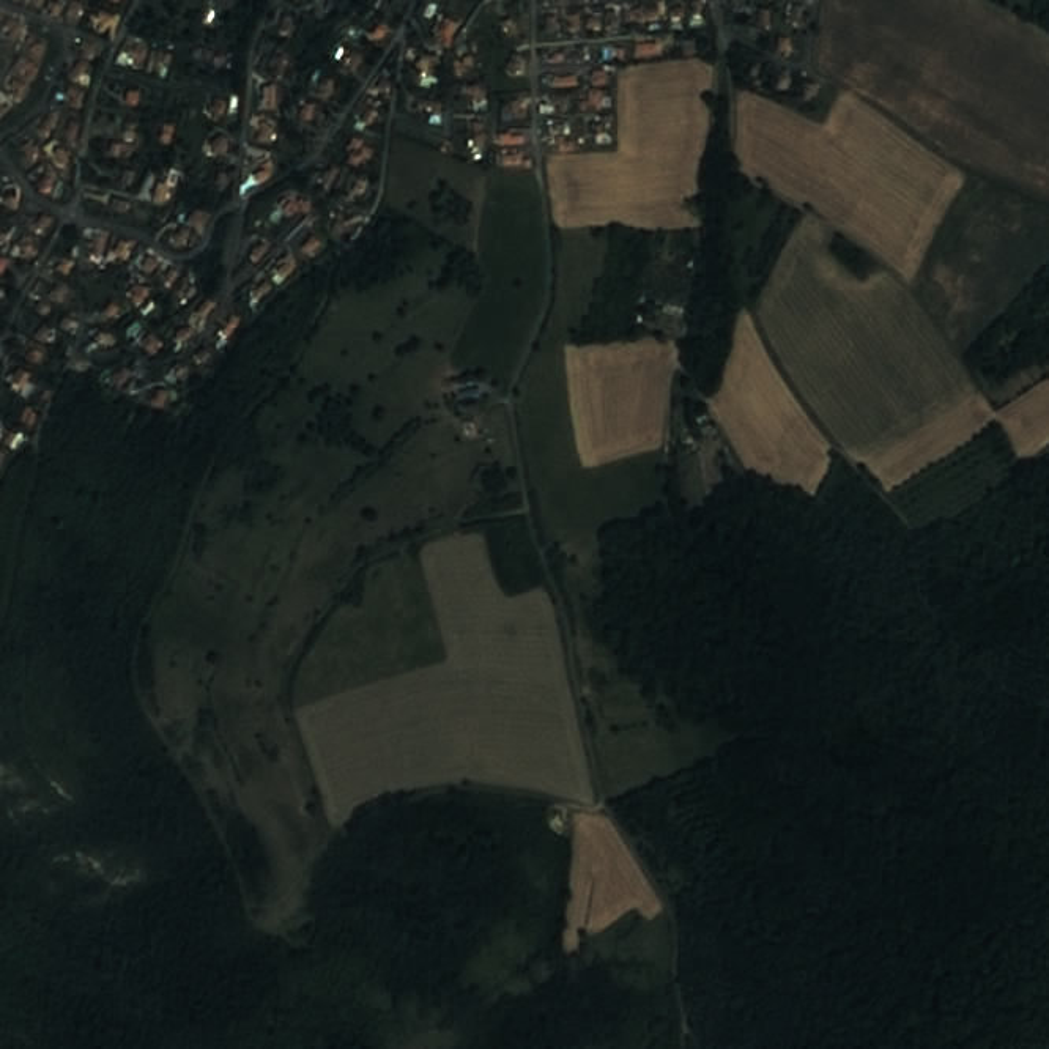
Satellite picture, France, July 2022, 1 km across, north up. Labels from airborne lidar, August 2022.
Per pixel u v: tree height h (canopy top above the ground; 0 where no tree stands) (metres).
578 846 0
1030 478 17
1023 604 15
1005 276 0
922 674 9
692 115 0
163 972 10
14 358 7
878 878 19
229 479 0
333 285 10
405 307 8
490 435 0
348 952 7
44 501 6
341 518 0
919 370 0
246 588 0
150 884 8
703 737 0
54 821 6
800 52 0
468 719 0
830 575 18
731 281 16
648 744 0
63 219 0
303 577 0
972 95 0
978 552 12
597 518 0
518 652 0
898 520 10
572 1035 8
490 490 13
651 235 6
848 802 15
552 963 8
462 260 12
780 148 0
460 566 0
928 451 0
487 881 13
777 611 18
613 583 13
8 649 9
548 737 0
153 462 10
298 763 0
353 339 0
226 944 9
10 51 0
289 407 0
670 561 22
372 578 0
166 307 10
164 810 7
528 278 0
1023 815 22
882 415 0
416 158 0
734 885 12
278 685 0
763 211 9
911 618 15
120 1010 8
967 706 17
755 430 0
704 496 0
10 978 9
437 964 12
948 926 21
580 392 0
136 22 9
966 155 0
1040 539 13
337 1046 11
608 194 0
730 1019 12
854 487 8
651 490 0
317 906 9
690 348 16
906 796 15
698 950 10
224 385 7
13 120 0
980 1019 20
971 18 0
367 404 0
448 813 10
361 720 0
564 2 0
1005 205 0
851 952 20
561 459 0
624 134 0
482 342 0
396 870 13
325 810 0
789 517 9
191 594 0
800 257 0
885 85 0
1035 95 0
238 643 0
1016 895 18
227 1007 9
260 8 11
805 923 17
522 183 0
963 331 0
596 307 6
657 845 9
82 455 6
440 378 0
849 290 0
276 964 6
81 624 7
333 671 0
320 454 0
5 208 6
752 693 20
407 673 0
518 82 0
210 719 6
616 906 0
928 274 0
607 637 11
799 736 20
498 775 0
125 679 7
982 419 0
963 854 22
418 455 0
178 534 6
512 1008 9
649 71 0
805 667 20
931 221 0
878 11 0
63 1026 10
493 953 0
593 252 0
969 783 15
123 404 6
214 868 13
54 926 9
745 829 16
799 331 0
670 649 17
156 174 9
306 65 7
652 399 0
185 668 0
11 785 0
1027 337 11
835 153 0
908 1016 23
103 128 0
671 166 0
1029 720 12
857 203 0
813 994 14
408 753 0
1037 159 0
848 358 0
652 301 7
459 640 0
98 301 0
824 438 0
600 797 0
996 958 19
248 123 0
